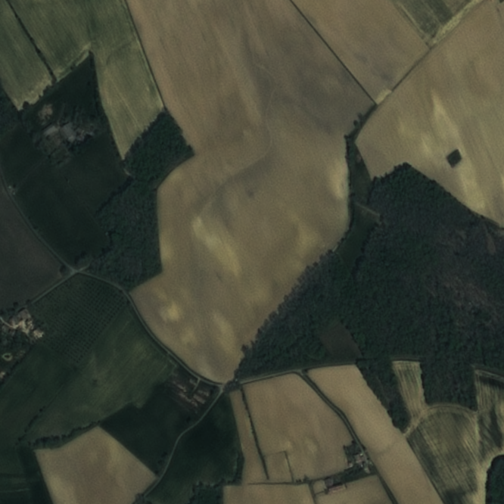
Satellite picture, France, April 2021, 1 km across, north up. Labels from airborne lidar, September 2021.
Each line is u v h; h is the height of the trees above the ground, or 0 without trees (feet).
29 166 0
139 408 0
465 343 73
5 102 72
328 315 63
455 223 36
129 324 0
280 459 0
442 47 0
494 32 0
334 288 68
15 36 0
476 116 0
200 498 20
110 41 0
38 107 0
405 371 0
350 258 0
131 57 0
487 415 0
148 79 0
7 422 0
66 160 39
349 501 0
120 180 0
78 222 0
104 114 53
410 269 55
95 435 0
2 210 0
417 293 67
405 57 0
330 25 0
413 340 69
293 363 60
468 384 57
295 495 0
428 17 0
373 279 81
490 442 0
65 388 0
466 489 0
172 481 0
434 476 0
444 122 0
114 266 43
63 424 0
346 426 0
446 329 69
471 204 0
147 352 0
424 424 0
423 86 0
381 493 0
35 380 0
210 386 0
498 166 0
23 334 41
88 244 0
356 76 0
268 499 0
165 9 0
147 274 52
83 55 0
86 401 0
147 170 64
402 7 0
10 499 0
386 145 0
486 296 44
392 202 60
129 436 0
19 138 0
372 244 56
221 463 0
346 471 17
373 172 0
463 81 0
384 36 0
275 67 0
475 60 0
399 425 32
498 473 73
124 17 0
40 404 0
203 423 0
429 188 60
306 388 0
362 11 0
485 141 0
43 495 0
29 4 0
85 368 0
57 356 0
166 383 0
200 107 0
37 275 0
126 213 63
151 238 51
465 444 0
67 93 0
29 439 0
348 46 0
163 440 0
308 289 40
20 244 0
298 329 69
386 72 0
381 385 43
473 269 53
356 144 0
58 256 0
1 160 0
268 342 43
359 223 0
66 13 0
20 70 0
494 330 64
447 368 64
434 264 60
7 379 39
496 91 0
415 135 0
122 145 0
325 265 56
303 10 0
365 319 68
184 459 0
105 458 0
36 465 0
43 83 0
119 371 0
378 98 0
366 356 67
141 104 0
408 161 0
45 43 0
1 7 0
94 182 0
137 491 0
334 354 0
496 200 0
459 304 53
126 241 51
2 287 0
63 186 0
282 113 0
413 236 58
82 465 0
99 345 0
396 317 63
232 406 0
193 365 0
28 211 0
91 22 0
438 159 0
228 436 0
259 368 28
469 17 0
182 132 60
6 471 0
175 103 0
